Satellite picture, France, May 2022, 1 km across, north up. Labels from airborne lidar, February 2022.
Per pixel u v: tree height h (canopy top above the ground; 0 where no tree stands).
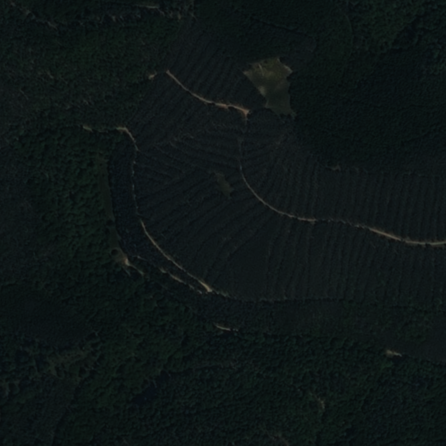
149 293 31
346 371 25
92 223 39
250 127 15
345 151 15
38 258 25
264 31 17
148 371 35
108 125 27
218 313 25
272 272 18
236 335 12
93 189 32
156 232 19
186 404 27
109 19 26
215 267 16
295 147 18
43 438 13
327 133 14
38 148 30
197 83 14
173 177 14
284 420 23
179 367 34
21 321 16
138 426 32
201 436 30
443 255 13
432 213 13
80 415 31
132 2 12
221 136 18
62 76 21
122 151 19
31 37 25
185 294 20
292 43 17
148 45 23
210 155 15
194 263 19
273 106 0
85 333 14
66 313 15
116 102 24
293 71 10
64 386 11
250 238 15
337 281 15
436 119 17
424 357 18
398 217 14
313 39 15
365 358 26
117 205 19
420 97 16
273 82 0
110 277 33
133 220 19
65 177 34
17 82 20
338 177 14
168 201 17
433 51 28
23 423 19
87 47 21
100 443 35
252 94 17
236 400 25
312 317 19
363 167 14
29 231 23
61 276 25
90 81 26
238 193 16
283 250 16
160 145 15
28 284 23
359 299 16
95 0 9
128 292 31
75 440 33
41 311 14
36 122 28
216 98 14
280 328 21
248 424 26
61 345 11
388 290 16
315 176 14
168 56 18
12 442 23
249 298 18
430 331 16
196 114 16
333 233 15
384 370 28
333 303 16
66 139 38
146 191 15
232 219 15
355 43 20
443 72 18
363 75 20
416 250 16
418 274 14
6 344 9
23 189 24
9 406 25
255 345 25
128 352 20
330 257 14
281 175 14
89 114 23
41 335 15
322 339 24
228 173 15
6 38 20
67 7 12
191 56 15
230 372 23
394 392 24
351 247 15
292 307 18
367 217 14
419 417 29
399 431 27
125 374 32
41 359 14
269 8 17
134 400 0
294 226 13
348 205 14
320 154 18
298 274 18
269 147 15
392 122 15
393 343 18
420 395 29
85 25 24
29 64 20
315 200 15
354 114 23
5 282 18
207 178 15
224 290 16
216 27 12
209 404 27
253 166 13
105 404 41
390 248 14
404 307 15
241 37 17
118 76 25
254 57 15
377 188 14
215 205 18
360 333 18
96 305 30
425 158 16
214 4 21
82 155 37
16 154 21
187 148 16
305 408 27
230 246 14
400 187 13
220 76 16
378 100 22
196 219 17
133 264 13
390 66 21
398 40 20
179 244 18
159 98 15
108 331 28
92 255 37
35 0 9
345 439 36
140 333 30
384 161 16
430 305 15
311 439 25
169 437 23
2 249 21
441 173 14
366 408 28
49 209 24
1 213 21
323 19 17
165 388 33
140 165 16
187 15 18
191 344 36
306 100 20
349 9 25
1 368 10
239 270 19
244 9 17
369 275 17
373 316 17
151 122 15
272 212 15
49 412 13
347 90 18
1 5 23
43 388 12
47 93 23
